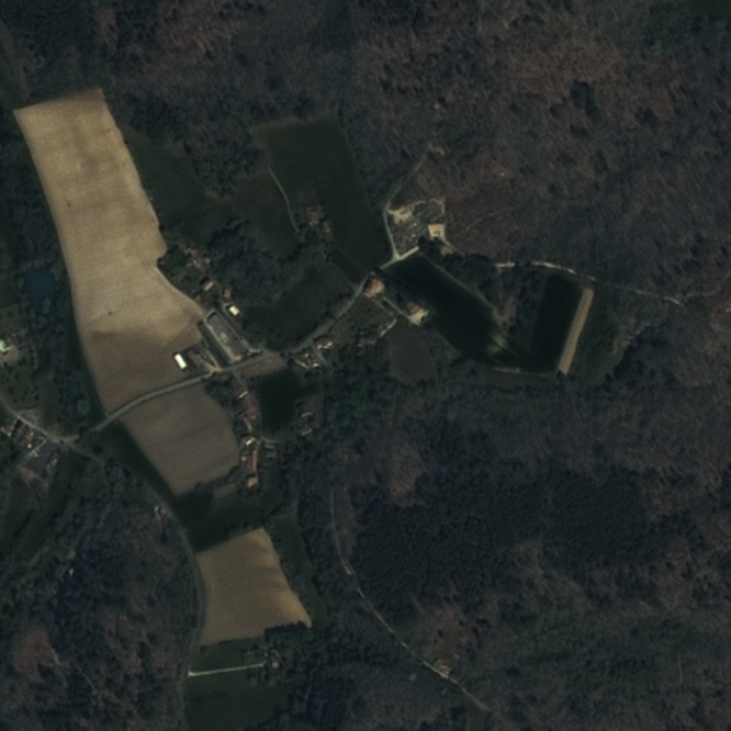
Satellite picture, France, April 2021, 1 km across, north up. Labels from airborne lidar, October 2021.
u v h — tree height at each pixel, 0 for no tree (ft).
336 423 64
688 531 61
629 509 69
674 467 26
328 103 70
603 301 30
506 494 62
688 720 34
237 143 32
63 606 51
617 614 44
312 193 0
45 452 0
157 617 58
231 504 0
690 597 31
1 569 41
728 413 26
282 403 0
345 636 37
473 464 47
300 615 0
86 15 82
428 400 65
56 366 52
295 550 0
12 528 0
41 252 56
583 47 59
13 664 52
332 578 50
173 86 37
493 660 68
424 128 56
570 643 49
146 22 65
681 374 70
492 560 60
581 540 63
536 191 55
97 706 26
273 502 0
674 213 57
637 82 61
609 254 73
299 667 44
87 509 44
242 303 75
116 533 35
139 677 26
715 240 38
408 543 71
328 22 27
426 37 32
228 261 42
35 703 23
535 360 0
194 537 0
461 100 25
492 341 0
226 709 0
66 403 24
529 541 76
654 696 35
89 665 62
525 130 62
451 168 41
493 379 0
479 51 67
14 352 0
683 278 70
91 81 89
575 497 74
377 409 50
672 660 35
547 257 65
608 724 48
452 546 66
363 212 0
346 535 59
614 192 58
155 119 85
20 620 65
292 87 62
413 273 0
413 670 58
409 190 56
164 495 0
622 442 38
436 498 55
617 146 67
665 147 43
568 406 44
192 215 0
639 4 55
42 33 82
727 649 50
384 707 40
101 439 31
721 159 36
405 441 56
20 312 35
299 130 0
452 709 71
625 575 57
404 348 0
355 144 42
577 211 49
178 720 66
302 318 0
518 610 50
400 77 46
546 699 37
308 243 42
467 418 45
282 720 65
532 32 35
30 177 60
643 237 54
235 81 60
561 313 0
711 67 51
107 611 61
